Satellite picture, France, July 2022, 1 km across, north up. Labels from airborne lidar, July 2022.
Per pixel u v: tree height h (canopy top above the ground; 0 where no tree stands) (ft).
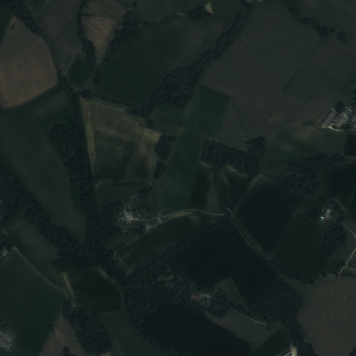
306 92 0
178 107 65
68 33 0
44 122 0
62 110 0
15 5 41
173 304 82
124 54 0
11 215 84
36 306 0
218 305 63
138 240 0
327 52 0
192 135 0
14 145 0
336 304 0
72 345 0
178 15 0
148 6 0
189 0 0
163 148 92
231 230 89
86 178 81
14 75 0
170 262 42
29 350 0
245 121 0
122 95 0
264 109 0
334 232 66
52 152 0
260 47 0
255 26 0
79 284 0
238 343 87
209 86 0
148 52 0
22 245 0
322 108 0
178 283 69
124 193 0
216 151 87
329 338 0
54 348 0
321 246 0
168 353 0
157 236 0
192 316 80
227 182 0
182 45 0
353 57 0
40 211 78
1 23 0
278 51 0
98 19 0
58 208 0
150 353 0
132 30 90
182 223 0
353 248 0
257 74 0
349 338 0
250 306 40
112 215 63
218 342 90
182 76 79
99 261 23
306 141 0
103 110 0
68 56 0
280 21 0
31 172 0
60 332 0
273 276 89
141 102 0
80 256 73
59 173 0
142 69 0
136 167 0
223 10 0
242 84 0
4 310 0
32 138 0
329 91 0
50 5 0
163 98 53
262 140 87
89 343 85
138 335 0
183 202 0
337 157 39
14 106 0
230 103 0
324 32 73
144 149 0
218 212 0
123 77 0
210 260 86
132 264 0
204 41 0
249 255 94
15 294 0
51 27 0
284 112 0
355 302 0
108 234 50
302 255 0
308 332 0
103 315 0
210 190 0
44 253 0
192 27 0
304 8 0
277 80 0
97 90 0
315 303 0
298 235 0
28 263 0
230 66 0
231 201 0
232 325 0
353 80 0
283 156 0
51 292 0
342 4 0
